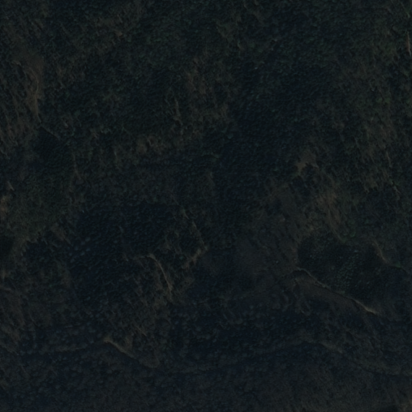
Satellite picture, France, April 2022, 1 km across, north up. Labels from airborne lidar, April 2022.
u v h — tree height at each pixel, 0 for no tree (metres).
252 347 29
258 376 31
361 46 26
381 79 27
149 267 23
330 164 20
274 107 30
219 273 14
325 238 16
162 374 37
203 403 30
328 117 28
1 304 19
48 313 26
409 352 32
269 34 33
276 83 25
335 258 21
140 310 21
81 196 35
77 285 22
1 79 31
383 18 22
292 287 8
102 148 28
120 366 31
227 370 25
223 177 33
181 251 27
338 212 26
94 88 31
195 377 31
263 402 24
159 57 30
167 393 30
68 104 33
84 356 28
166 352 38
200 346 24
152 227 16
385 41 25
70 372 27
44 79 18
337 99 31
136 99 27
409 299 32
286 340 28
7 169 28
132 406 36
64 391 24
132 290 28
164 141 31
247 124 30
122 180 31
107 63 33
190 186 21
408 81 38
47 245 31
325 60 28
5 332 33
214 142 28
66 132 33
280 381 28
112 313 23
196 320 27
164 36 29
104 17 32
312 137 23
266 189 23
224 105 27
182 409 32
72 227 28
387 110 29
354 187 30
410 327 30
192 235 28
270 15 26
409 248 33
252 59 21
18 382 32
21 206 23
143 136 31
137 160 32
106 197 36
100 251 26
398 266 12
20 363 33
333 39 26
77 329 41
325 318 31
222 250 16
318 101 23
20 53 14
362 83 29
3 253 20
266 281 16
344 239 20
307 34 18
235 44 24
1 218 22
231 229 30
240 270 19
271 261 13
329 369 24
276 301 30
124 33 33
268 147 28
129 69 30
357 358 25
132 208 32
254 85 27
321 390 27
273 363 21
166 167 30
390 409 14
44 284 22
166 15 30
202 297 22
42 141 20
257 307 12
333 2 28
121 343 25
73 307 18
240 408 27
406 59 34
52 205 21
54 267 28
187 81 29
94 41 31
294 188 10
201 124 35
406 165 32
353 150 34
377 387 31
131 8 33
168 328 35
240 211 32
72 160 25
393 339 30
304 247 16
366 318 11
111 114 29
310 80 31
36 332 20
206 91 32
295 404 18
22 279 24
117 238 26
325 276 20
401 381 23
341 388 29
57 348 16
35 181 18
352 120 23
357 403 33
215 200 32
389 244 32
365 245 18
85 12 29
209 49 28
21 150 22
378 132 31
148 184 31
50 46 30
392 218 30
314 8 31
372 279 18
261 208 28
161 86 26
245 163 31
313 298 15
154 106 26
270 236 10
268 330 22
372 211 28
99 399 33
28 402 31
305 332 26
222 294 19
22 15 32
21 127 40
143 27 32
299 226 15
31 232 19
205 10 30
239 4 27
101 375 32
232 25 25
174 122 29
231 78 25
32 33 37
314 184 24
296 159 17
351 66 26
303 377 28
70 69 36
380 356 26
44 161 14
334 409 17
